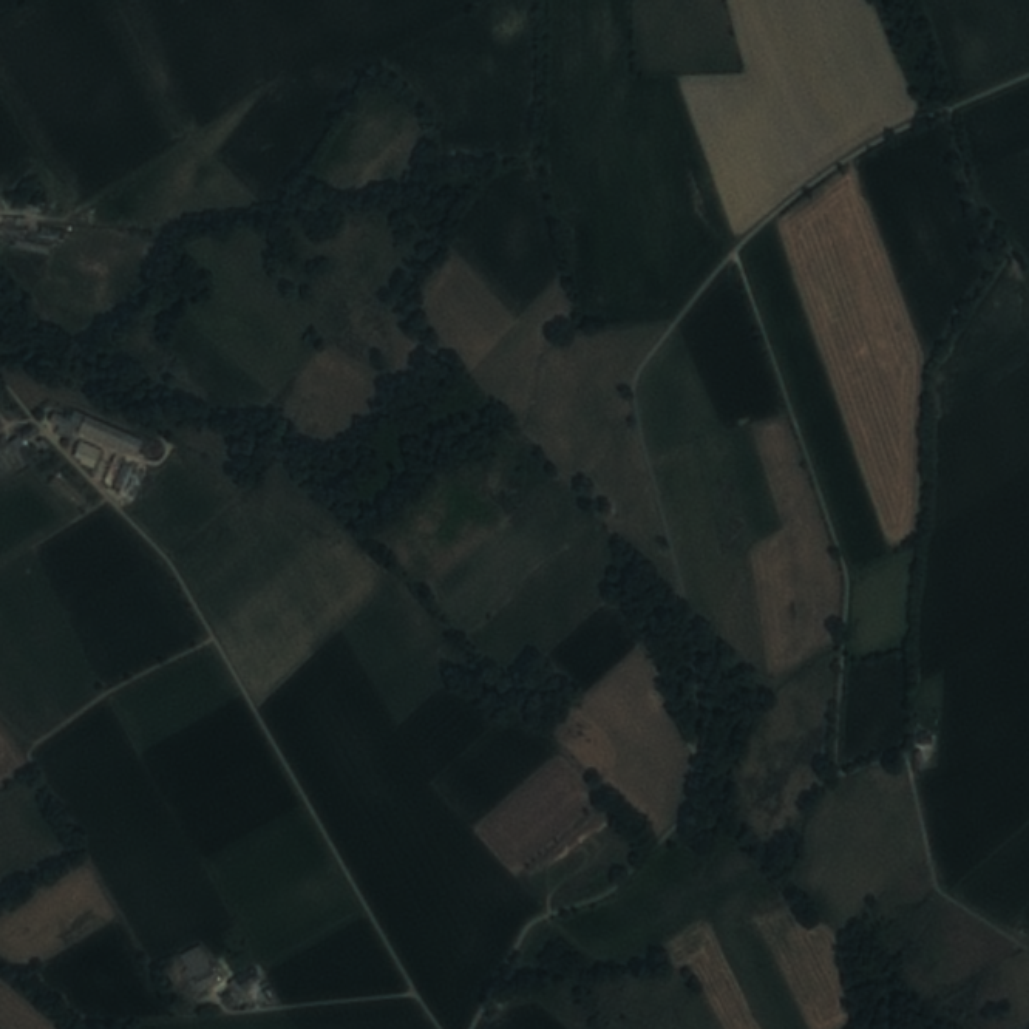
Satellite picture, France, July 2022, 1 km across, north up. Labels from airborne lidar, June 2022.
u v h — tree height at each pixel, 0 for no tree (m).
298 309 0
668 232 0
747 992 0
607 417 0
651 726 0
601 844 0
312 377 0
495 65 0
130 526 0
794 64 0
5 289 24
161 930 0
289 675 0
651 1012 0
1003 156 0
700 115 0
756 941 0
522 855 0
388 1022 0
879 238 0
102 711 0
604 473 0
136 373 20
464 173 6
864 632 0
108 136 0
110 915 0
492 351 0
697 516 0
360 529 25
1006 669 0
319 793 0
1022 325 0
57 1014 16
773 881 9
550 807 0
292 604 0
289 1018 0
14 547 0
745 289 9
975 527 0
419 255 7
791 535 0
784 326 0
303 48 0
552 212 0
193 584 0
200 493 0
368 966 0
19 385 0
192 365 0
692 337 0
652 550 0
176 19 0
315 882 0
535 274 0
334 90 0
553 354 0
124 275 0
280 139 0
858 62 0
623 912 0
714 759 20
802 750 0
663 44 0
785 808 0
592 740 0
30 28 0
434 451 12
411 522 0
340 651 0
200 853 0
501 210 0
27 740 0
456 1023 0
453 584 0
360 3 0
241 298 0
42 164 0
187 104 0
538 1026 0
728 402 0
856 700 0
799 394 0
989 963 0
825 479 0
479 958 0
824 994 0
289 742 0
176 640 0
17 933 0
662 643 21
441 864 0
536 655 23
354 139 0
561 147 0
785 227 0
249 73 0
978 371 0
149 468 0
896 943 0
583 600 0
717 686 25
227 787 0
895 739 0
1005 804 0
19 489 0
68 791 0
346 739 0
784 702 0
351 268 0
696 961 0
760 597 0
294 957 0
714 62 0
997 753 0
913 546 15
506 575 0
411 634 0
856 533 0
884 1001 15
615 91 0
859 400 0
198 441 0
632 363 0
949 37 0
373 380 0
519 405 0
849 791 0
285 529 0
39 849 0
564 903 0
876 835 0
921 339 0
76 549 0
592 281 0
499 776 0
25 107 0
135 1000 0
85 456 0
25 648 0
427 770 0
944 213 0
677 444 0
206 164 0
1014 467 0
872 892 0
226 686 0
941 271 0
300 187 20
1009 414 0
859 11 0
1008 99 0
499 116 0
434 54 0
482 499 0
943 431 0
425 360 25
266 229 23
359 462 18
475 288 0
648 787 0
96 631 0
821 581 0
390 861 0
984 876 0
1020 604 0
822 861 0
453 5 0
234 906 0
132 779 0
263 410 12
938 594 0
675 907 0
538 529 0
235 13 0
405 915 0
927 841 0
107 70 0
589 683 0
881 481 0
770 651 0
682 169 0
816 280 0
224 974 0
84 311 0
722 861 0
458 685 20
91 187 0
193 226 17
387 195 17
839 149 0
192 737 0
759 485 0
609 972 18
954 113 5
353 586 0
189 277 16
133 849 0
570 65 0
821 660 0
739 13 0
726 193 0
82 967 0
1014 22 0
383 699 0
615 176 0
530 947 0
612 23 0
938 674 0
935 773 0
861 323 0
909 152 0
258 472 18
